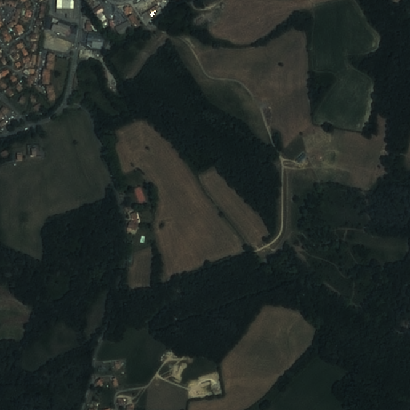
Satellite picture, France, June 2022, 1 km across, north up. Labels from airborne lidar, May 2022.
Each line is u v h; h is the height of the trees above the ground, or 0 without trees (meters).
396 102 21
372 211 19
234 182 20
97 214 17
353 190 11
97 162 0
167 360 0
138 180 0
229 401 0
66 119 0
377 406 21
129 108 15
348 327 9
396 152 16
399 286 8
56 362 16
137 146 0
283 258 25
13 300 0
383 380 16
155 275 15
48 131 0
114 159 24
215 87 0
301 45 0
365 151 0
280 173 11
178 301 24
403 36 22
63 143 0
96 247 18
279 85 0
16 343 17
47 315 27
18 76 7
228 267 24
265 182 24
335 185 15
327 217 0
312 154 0
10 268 18
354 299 0
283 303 21
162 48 9
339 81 0
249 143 17
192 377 0
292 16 10
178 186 0
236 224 0
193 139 26
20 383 20
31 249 0
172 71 10
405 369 17
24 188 0
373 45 0
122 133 0
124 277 9
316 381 0
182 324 20
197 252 0
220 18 0
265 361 0
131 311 23
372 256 0
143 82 7
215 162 17
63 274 12
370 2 23
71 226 18
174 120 23
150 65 7
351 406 24
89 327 0
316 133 0
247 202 16
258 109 0
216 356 24
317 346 10
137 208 20
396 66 21
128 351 0
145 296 21
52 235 21
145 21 0
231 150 17
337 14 0
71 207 0
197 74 0
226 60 0
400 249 0
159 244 0
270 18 0
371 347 12
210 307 9
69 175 0
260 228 0
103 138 24
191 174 0
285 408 0
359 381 22
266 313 0
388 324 14
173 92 10
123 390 0
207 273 20
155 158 0
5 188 0
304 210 23
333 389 13
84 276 17
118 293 20
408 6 20
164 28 18
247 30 0
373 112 14
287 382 11
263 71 0
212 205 0
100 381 0
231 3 0
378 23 22
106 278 20
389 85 25
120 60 0
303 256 0
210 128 17
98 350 0
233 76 0
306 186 0
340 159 0
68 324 14
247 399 0
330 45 0
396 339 17
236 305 18
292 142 0
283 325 0
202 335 21
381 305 17
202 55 0
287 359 0
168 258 0
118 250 16
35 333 26
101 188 0
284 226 0
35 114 9
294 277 13
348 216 0
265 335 0
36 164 0
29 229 0
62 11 0
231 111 0
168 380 0
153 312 25
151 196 23
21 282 19
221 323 22
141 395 0
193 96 11
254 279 23
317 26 0
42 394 6
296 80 0
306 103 0
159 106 18
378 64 21
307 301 23
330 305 13
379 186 11
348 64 0
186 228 0
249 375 0
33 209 0
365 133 13
